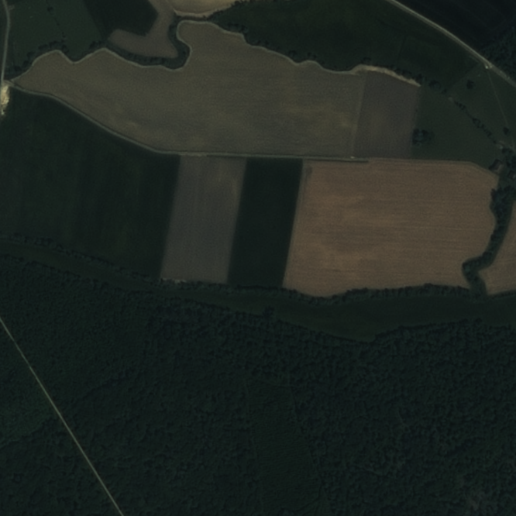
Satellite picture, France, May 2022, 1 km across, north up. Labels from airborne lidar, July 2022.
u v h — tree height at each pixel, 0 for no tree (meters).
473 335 13
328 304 13
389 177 0
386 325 0
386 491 15
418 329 15
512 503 22
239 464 30
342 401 29
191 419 23
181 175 0
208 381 28
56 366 17
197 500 27
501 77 0
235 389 27
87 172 0
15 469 27
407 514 21
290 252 0
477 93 0
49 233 0
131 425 27
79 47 0
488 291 0
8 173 0
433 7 0
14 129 0
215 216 0
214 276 0
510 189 15
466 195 0
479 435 16
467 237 0
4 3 0
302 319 0
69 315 15
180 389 28
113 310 15
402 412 29
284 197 0
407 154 0
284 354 27
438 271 0
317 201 0
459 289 13
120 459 21
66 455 23
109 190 0
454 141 0
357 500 22
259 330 26
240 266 0
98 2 0
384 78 0
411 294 14
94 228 0
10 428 19
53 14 11
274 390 6
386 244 0
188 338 28
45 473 29
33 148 0
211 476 21
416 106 0
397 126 0
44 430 21
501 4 0
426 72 0
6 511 25
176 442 23
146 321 15
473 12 0
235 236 0
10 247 0
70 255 11
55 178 0
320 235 0
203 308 23
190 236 0
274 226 0
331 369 29
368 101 0
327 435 25
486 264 14
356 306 0
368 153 0
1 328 18
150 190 0
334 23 0
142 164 0
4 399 19
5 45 0
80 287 14
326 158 0
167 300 6
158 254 0
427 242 0
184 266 0
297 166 0
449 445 23
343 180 0
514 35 22
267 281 0
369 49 0
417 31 0
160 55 0
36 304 14
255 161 0
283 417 7
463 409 27
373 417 22
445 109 0
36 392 17
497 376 26
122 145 0
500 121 0
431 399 17
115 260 0
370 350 21
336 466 21
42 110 0
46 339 14
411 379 22
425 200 0
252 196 0
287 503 6
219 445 25
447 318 0
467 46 0
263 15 0
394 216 0
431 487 23
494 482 17
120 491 22
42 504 31
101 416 24
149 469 28
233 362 16
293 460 6
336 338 10
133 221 0
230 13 0
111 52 0
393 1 0
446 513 13
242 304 0
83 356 15
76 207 0
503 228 12
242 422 26
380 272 0
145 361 27
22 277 15
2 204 0
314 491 6
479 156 0
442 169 0
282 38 0
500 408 14
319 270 0
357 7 0
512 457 27
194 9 0
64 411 12
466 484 7
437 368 22
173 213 0
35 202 0
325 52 0
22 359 17
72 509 22
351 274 0
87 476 25
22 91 0
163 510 22
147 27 0
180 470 26
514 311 0
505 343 11
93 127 0
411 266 0
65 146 0
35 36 0
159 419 20
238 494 23
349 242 0
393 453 14
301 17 0
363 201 0
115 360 18
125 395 28
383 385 20
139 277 12
